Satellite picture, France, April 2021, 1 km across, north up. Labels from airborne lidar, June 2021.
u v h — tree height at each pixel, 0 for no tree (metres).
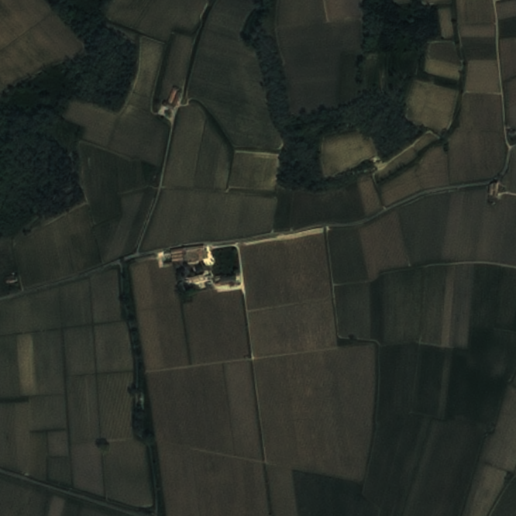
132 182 0
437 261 0
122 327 0
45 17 0
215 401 0
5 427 0
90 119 0
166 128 0
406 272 0
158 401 0
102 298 0
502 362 0
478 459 0
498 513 0
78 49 0
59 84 0
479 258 0
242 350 0
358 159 0
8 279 0
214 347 0
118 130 0
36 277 0
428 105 0
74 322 0
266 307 0
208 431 0
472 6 0
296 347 0
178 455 0
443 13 0
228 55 0
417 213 0
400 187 0
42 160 31
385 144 18
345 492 0
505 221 0
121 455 0
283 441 0
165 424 0
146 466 0
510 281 0
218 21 0
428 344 0
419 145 0
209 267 10
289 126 6
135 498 0
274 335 0
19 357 0
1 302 0
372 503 0
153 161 0
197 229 0
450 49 0
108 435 0
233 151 0
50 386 0
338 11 0
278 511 0
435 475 0
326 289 0
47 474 0
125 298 14
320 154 7
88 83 26
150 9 0
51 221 0
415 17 9
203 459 0
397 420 0
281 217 0
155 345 0
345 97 0
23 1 0
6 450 0
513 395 0
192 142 0
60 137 0
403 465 0
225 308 0
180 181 0
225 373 0
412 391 0
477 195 0
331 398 0
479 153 0
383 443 0
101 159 0
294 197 0
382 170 0
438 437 0
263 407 0
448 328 0
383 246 0
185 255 0
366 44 12
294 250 0
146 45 0
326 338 0
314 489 0
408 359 0
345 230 0
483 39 0
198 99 0
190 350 0
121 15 0
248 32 0
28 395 0
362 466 0
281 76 14
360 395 0
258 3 16
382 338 0
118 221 0
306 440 0
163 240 0
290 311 0
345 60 0
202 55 0
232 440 0
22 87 22
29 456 0
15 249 0
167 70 0
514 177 0
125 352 0
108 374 0
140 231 0
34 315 0
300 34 0
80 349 0
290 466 0
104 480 0
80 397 0
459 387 0
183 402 0
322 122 19
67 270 0
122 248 0
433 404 0
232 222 0
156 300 0
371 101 22
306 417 0
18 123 24
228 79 0
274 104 10
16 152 21
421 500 0
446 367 0
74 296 0
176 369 0
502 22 0
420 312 0
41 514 0
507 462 0
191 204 0
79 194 19
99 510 0
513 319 0
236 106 0
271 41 16
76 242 0
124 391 0
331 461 0
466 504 0
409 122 16
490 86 0
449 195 0
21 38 0
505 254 0
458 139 0
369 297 0
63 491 0
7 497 0
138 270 0
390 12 13
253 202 0
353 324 0
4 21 0
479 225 0
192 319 0
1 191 15
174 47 0
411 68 0
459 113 0
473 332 0
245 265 0
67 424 0
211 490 0
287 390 0
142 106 0
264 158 0
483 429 0
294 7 0
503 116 0
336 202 0
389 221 0
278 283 0
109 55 19
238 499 0
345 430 0
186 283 0
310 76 0
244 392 0
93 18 11
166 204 0
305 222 0
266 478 0
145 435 10
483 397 0
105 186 0
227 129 0
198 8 0
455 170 0
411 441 0
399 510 0
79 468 0
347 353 0
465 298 0
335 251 0
